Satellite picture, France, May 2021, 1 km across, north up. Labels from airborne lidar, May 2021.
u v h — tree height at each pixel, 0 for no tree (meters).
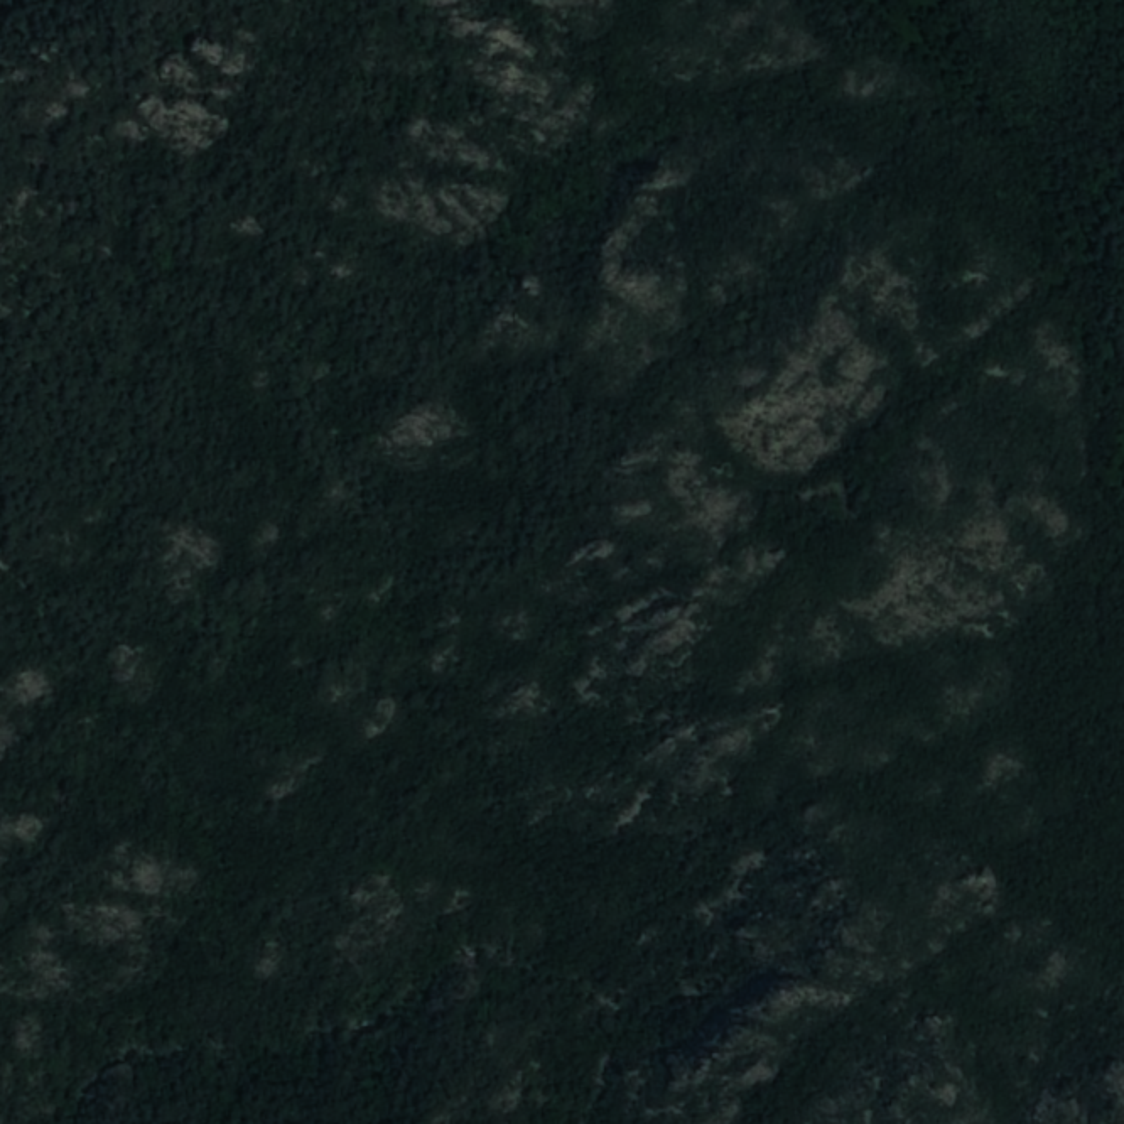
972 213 12
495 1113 9
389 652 9
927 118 14
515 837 18
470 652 12
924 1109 5
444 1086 12
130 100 16
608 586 12
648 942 7
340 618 9
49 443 17
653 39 9
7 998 15
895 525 9
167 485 7
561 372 23
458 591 19
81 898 12
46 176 25
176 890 6
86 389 22
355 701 6
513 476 12
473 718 16
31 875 27
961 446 6
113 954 16
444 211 13
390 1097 21
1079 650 14
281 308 23
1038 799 10
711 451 8
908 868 8
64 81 12
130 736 21
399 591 17
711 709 10
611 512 6
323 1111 13
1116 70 16
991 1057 7
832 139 8
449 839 12
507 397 20
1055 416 10
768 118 14
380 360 17
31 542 17
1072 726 13
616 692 7
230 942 10
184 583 10
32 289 27
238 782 10
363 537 23
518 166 11
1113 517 8
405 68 6
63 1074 10
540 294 12
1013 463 6
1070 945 6
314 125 10
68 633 13
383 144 5
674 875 10
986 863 11
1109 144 20
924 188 16
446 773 22
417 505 17
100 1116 7
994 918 12
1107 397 22
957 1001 9
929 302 5
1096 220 19
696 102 10
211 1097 10
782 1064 8
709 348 17
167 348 9
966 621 6
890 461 7
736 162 6
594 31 6
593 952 15
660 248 8
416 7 26
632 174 14
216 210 26
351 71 14
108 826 19
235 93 6
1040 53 7
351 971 10
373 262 10
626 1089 7
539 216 18
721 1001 6
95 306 29
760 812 10
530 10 11
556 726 9
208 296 23
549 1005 11
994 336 17
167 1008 14
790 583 10
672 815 8
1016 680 9
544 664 7
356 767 14
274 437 9
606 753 15
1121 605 10
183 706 16
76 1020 17
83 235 26
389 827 10
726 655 7
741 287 16
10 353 24
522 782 10
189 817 14
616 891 6
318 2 13
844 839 11
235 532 10
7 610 12
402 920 12
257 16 9
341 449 15
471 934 15
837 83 10
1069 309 20
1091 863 8
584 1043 18
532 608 7
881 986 9
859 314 8
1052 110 14
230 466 19
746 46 6
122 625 14
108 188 28
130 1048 8
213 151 10
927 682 8
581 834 8
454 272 21
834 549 13
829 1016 7
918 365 6
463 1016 7
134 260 11
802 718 8
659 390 17
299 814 10
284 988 11
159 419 20
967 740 8
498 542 8
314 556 21
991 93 21
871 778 13
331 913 11
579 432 28
